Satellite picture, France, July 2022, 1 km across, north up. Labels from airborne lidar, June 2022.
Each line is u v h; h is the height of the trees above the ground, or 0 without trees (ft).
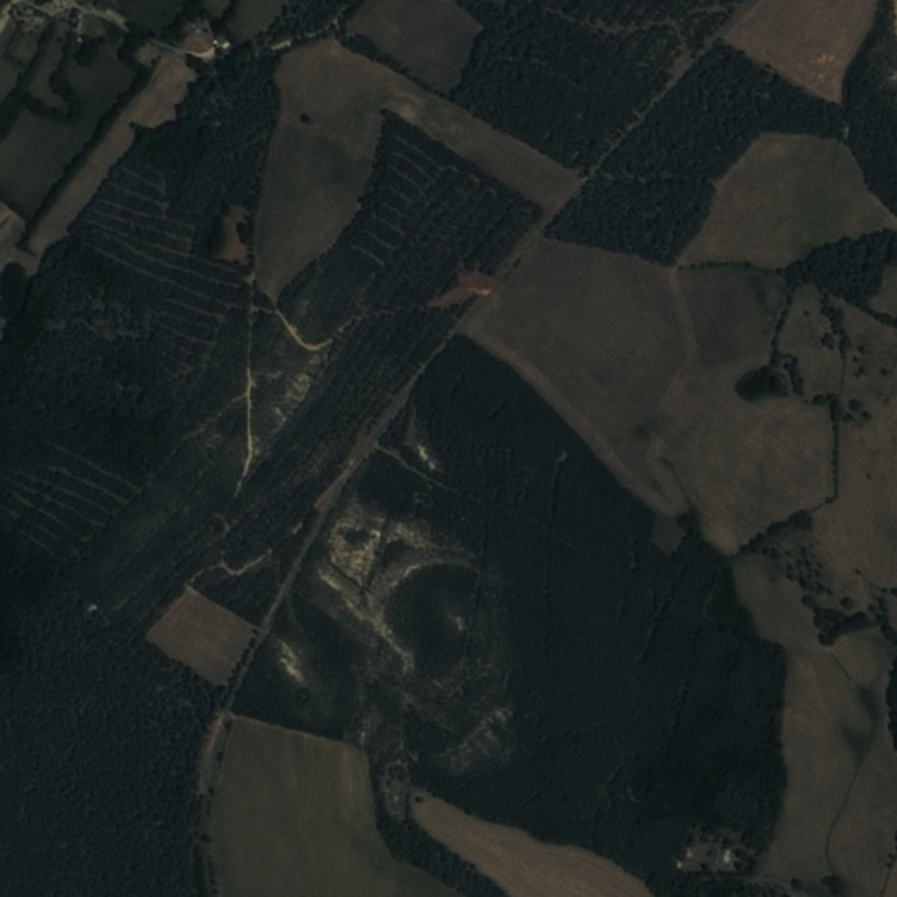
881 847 0
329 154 0
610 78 40
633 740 40
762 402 0
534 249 0
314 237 0
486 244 41
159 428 41
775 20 0
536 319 0
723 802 55
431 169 33
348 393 34
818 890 0
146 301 33
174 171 38
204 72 37
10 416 54
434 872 23
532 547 35
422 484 23
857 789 0
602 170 25
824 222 0
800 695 0
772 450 0
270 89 48
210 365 27
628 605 48
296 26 23
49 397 57
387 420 0
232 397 18
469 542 29
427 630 32
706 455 0
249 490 24
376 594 0
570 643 49
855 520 0
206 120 28
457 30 0
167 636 0
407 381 35
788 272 27
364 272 25
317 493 30
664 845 53
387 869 0
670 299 0
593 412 0
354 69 0
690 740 46
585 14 39
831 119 28
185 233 22
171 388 38
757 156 0
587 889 0
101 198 36
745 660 53
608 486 45
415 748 27
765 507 0
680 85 27
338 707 19
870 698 0
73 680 51
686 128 37
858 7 0
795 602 0
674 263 39
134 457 55
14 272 62
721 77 35
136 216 35
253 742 0
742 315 0
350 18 36
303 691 25
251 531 22
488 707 21
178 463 29
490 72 69
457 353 40
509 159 0
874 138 26
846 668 0
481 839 0
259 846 0
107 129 32
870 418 47
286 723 32
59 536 46
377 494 33
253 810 0
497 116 58
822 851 0
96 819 52
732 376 0
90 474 48
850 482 0
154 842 38
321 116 0
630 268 0
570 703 48
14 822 37
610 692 41
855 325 0
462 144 0
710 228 0
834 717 0
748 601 0
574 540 49
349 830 0
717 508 0
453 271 44
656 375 0
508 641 24
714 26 31
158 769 50
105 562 22
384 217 37
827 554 0
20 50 0
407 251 46
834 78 0
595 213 30
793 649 0
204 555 27
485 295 0
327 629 28
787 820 0
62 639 38
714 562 28
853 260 47
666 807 49
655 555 36
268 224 0
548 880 0
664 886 48
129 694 51
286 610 25
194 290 45
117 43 0
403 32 0
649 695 44
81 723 39
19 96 43
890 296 0
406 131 38
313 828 0
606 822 38
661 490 0
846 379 0
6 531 57
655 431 0
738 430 0
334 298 18
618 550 43
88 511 50
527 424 49
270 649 19
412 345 49
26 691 43
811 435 0
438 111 0
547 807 39
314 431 28
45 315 27
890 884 0
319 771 0
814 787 0
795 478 0
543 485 39
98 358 35
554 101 48
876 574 0
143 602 22
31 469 36
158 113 0
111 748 27
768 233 0
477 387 42
